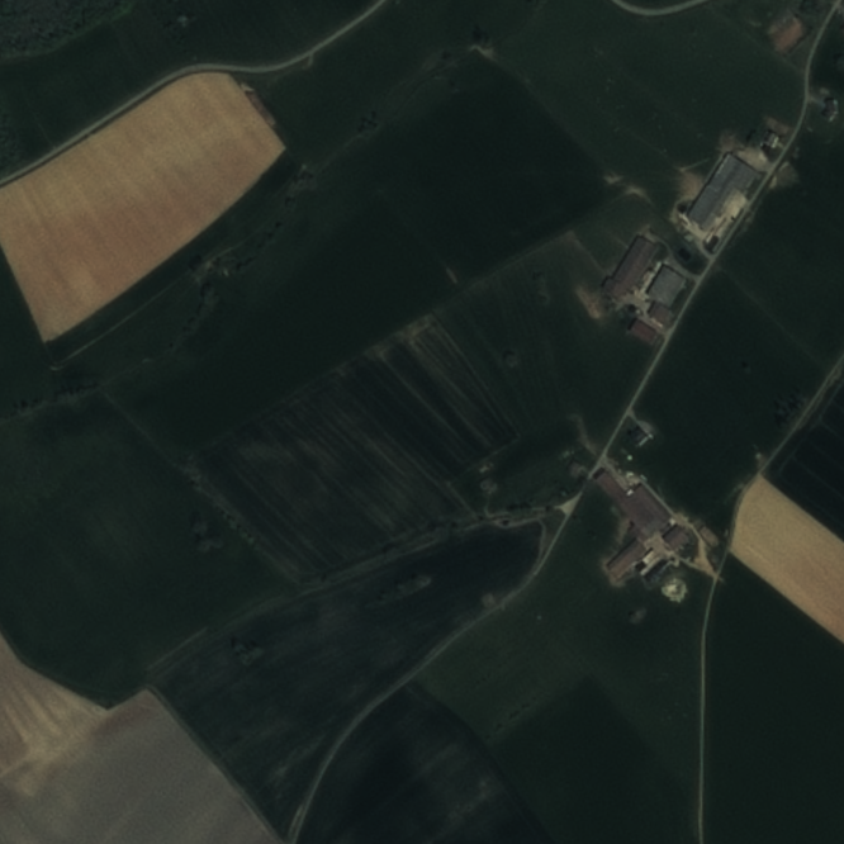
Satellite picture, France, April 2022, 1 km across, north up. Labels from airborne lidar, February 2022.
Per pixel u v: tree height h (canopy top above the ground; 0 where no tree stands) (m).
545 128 0
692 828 0
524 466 0
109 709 0
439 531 18
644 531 0
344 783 0
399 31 0
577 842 0
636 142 0
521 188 0
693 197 0
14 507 0
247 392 0
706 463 0
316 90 0
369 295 0
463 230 0
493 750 0
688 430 0
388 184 0
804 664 0
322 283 0
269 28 0
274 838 0
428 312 0
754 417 0
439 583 0
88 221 0
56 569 0
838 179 0
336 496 0
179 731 0
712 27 0
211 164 0
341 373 0
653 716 0
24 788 0
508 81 0
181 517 0
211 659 0
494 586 0
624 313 0
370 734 0
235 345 0
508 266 0
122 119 0
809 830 0
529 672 0
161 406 0
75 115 0
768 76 0
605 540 0
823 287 0
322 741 0
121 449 0
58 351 0
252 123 0
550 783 0
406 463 0
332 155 0
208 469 0
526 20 0
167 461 0
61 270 0
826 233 0
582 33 0
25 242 0
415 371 0
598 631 0
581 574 0
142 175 0
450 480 0
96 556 0
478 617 0
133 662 0
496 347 0
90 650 0
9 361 0
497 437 0
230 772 0
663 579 0
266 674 0
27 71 0
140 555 0
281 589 0
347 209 0
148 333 0
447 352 0
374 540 0
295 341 0
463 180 0
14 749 0
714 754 0
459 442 0
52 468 0
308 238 0
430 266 0
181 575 0
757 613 0
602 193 0
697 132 0
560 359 0
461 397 0
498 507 0
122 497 0
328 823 0
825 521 0
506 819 0
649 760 0
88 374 0
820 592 0
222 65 0
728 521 0
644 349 0
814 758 0
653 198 0
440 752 0
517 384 0
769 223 0
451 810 0
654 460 0
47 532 0
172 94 0
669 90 0
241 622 0
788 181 0
